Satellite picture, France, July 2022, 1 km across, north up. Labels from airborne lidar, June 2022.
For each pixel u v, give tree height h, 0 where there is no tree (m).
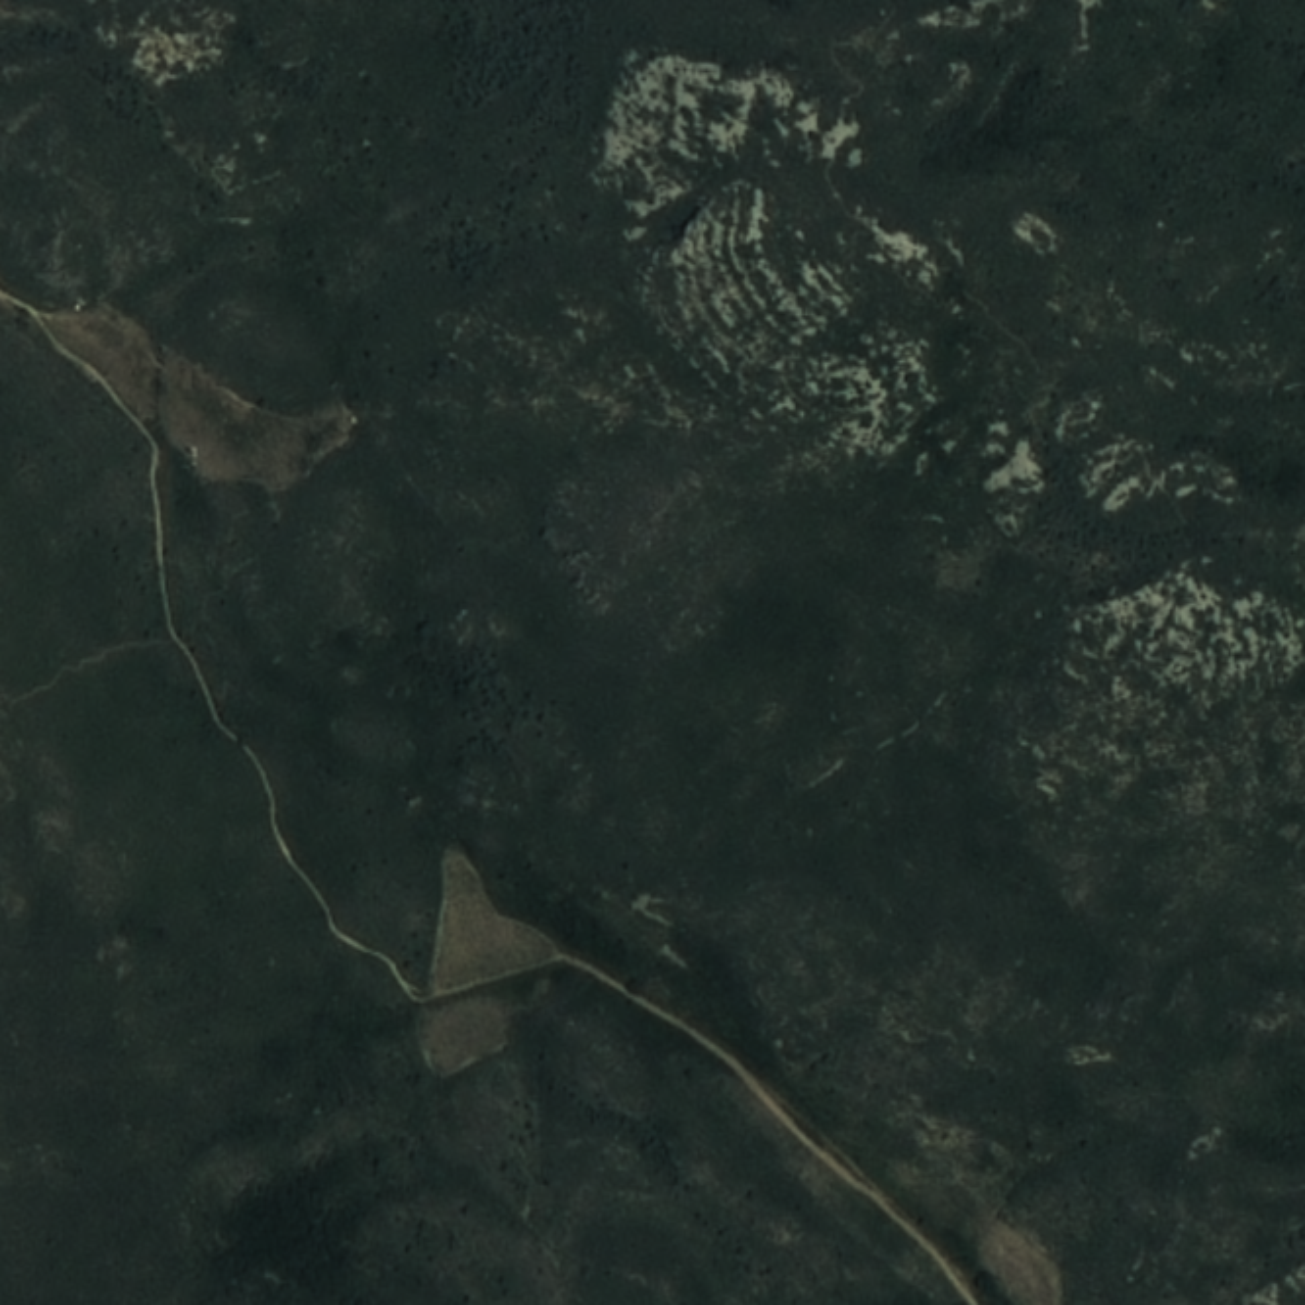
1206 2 0
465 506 0
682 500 0
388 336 0
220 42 0
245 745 6
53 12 0
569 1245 0
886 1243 0
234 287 0
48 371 0
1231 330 0
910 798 0
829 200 0
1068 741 0
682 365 0
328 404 0
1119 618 0
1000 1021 0
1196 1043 0
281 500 0
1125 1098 0
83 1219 0
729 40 0
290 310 0
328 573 0
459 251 8
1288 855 0
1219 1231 0
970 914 0
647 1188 0
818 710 0
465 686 9
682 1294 0
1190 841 0
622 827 0
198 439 0
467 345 0
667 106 0
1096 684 0
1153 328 0
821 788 0
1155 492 0
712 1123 0
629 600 0
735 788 0
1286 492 7
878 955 0
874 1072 0
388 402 0
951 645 0
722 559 0
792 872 0
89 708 0
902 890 0
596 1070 0
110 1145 0
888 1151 0
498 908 0
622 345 0
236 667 0
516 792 0
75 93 0
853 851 0
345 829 0
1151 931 0
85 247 0
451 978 0
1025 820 0
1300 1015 0
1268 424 7
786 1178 0
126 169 0
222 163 0
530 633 0
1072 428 0
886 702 0
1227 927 0
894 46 0
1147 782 0
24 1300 0
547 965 0
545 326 0
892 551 0
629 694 0
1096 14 7
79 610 0
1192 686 0
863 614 0
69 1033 0
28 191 0
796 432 0
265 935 0
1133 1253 0
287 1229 6
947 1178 0
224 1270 8
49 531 0
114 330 0
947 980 0
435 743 0
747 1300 0
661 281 0
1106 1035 0
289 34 0
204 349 0
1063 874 0
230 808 0
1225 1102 0
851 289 0
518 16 9
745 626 0
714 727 0
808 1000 0
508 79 8
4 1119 0
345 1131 0
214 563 0
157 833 0
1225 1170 0
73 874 0
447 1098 0
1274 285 10
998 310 0
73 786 0
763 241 0
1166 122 8
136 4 0
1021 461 0
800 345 0
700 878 0
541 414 0
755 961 0
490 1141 0
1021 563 0
